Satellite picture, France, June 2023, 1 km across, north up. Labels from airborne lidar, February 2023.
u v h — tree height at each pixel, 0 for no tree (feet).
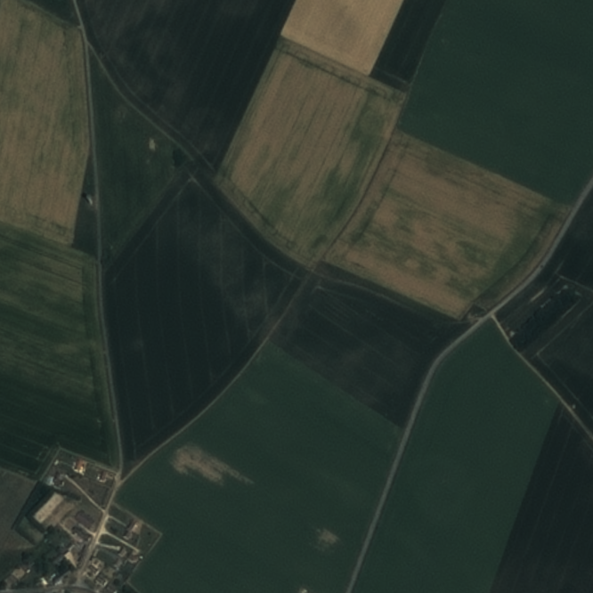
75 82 0
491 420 0
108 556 0
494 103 0
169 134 0
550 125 0
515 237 0
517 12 0
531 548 0
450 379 0
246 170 0
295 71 0
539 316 45
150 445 0
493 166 0
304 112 0
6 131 0
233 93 0
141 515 0
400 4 0
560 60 0
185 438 0
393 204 0
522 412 0
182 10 0
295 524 0
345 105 0
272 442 0
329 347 0
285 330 0
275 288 0
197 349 0
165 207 0
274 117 0
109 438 0
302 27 0
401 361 0
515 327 0
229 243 0
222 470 0
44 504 32
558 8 0
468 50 0
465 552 0
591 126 0
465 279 0
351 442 0
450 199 0
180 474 0
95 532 0
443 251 0
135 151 0
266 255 0
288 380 0
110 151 0
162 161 0
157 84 0
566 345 0
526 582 0
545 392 0
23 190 0
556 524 0
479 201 0
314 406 0
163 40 0
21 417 0
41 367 0
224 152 0
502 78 0
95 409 0
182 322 0
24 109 0
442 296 0
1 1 0
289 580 0
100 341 0
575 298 44
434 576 0
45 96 0
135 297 0
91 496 0
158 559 0
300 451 0
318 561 0
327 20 0
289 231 0
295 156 0
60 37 0
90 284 0
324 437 0
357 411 0
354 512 0
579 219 0
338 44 0
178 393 0
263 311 0
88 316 0
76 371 0
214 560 0
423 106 0
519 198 0
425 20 0
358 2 0
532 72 0
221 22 0
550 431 0
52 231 0
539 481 0
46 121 0
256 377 0
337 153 0
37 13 0
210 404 0
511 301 0
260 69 0
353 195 0
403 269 0
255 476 0
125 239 0
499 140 0
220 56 0
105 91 0
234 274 0
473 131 0
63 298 0
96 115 0
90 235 0
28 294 0
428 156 0
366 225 0
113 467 0
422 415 0
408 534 0
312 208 0
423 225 0
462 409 0
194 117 0
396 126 0
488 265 0
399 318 0
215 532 0
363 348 0
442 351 0
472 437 0
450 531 0
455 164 0
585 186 0
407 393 0
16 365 0
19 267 0
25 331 0
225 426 0
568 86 0
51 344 0
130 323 0
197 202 0
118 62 0
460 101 0
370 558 0
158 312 0
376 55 0
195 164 0
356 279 0
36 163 0
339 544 0
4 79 0
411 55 0
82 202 0
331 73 0
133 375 0
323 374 0
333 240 0
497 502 0
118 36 0
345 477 0
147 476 0
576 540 0
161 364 0
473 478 0
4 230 0
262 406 0
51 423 0
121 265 0
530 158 0
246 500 0
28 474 0
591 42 0
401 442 0
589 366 0
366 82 0
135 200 0
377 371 0
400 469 0
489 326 0
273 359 0
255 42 0
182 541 0
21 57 0
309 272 0
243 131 0
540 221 0
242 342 0
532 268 0
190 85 0
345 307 0
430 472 0
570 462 0
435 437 0
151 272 0
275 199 0
